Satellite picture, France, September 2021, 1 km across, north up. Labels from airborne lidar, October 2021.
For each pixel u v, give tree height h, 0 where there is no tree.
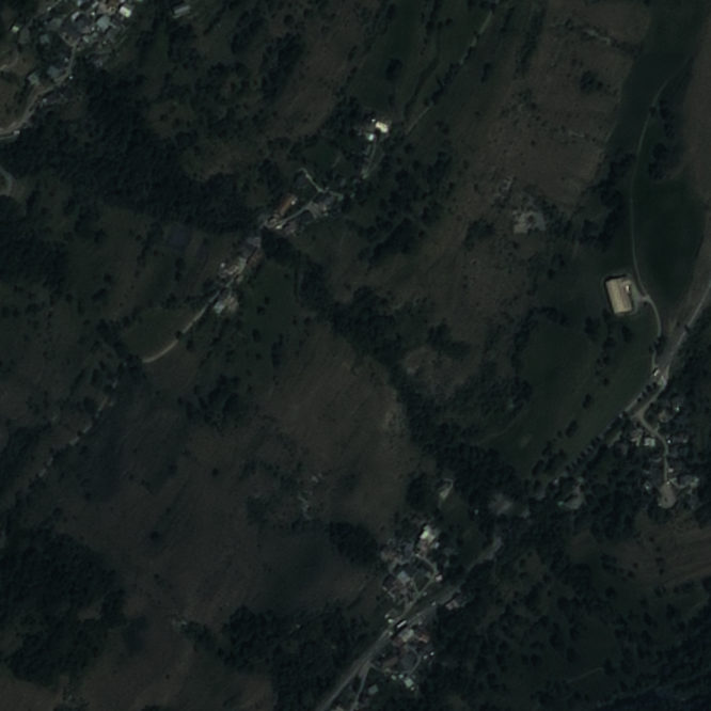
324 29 7
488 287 0
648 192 0
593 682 0
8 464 13
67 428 10
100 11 0
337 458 0
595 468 12
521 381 11
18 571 21
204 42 0
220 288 8
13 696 0
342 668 24
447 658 15
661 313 0
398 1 0
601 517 19
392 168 9
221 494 0
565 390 0
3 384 0
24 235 17
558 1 0
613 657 0
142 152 24
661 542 0
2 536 8
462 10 0
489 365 6
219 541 0
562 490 9
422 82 6
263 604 0
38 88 0
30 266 24
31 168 24
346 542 25
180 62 19
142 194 22
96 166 19
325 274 12
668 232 0
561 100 0
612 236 18
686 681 15
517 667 0
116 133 25
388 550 0
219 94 6
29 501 15
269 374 0
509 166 0
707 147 0
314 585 0
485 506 21
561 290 0
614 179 17
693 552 0
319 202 0
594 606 23
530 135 0
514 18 8
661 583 0
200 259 0
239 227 13
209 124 6
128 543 0
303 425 0
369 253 14
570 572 22
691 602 0
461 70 11
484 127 0
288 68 10
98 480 0
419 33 0
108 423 0
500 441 0
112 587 15
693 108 0
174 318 0
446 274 0
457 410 8
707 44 0
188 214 24
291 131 7
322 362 0
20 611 30
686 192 0
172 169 20
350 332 19
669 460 9
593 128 0
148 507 0
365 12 6
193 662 0
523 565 12
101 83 12
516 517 0
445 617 16
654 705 21
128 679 0
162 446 0
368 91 0
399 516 12
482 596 19
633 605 0
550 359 0
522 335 13
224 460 0
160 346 0
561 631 17
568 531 15
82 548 12
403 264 0
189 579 0
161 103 14
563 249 0
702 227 0
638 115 0
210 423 10
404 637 0
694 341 8
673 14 0
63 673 19
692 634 19
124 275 0
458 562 11
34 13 15
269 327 0
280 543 0
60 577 13
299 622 7
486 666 23
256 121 11
